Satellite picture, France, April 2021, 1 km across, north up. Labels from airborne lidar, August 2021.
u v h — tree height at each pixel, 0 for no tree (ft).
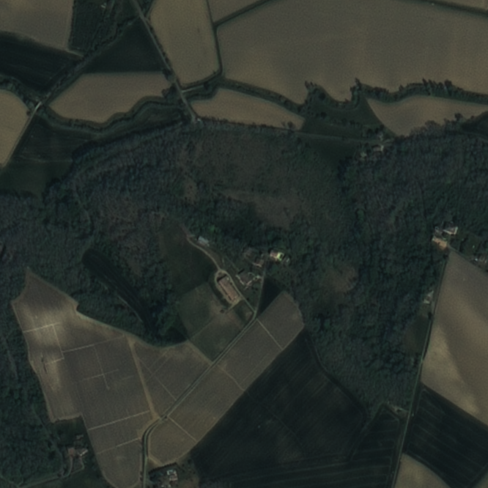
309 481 0
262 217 0
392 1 0
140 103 0
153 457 0
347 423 0
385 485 0
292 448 0
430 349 0
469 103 0
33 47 0
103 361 0
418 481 0
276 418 0
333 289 0
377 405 41
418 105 0
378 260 89
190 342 0
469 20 0
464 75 0
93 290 29
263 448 0
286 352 0
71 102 0
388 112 0
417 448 0
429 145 61
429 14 0
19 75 0
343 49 0
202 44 0
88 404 0
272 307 0
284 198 0
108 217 51
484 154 68
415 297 25
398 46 0
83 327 0
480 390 0
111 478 0
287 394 0
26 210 71
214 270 0
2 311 45
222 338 0
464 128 0
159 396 0
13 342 40
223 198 31
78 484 0
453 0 0
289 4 0
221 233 49
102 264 0
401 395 64
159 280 25
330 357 49
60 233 78
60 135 0
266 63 0
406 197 52
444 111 0
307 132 0
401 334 58
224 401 0
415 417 0
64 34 0
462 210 21
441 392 0
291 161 26
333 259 71
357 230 29
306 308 74
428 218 37
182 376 0
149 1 52
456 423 0
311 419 0
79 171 41
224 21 0
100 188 65
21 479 51
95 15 21
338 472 0
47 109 41
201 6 0
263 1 0
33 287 0
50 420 48
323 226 21
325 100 81
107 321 23
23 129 0
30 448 100
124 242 56
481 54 0
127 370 0
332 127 0
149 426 0
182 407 0
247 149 19
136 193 56
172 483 32
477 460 0
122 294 0
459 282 0
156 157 55
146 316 0
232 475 0
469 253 0
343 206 24
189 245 0
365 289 73
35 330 0
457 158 79
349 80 0
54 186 41
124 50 0
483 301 0
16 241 57
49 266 62
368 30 0
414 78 0
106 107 0
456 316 0
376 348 78
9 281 46
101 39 33
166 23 0
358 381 61
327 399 0
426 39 0
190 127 84
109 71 0
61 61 0
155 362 0
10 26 0
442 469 0
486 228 31
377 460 0
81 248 62
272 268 46
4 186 0
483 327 0
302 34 0
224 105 0
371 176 70
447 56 0
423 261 51
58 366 0
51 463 79
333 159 0
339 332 72
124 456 0
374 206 36
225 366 0
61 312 0
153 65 0
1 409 72
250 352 0
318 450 0
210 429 0
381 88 0
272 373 0
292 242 43
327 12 0
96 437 0
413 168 70
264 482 0
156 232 31
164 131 50
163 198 64
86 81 0
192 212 65
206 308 0
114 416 0
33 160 0
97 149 84
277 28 0
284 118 0
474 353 0
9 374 53
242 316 0
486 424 0
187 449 0
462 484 0
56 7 0
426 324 0
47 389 0
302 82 0
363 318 62
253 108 0
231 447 0
